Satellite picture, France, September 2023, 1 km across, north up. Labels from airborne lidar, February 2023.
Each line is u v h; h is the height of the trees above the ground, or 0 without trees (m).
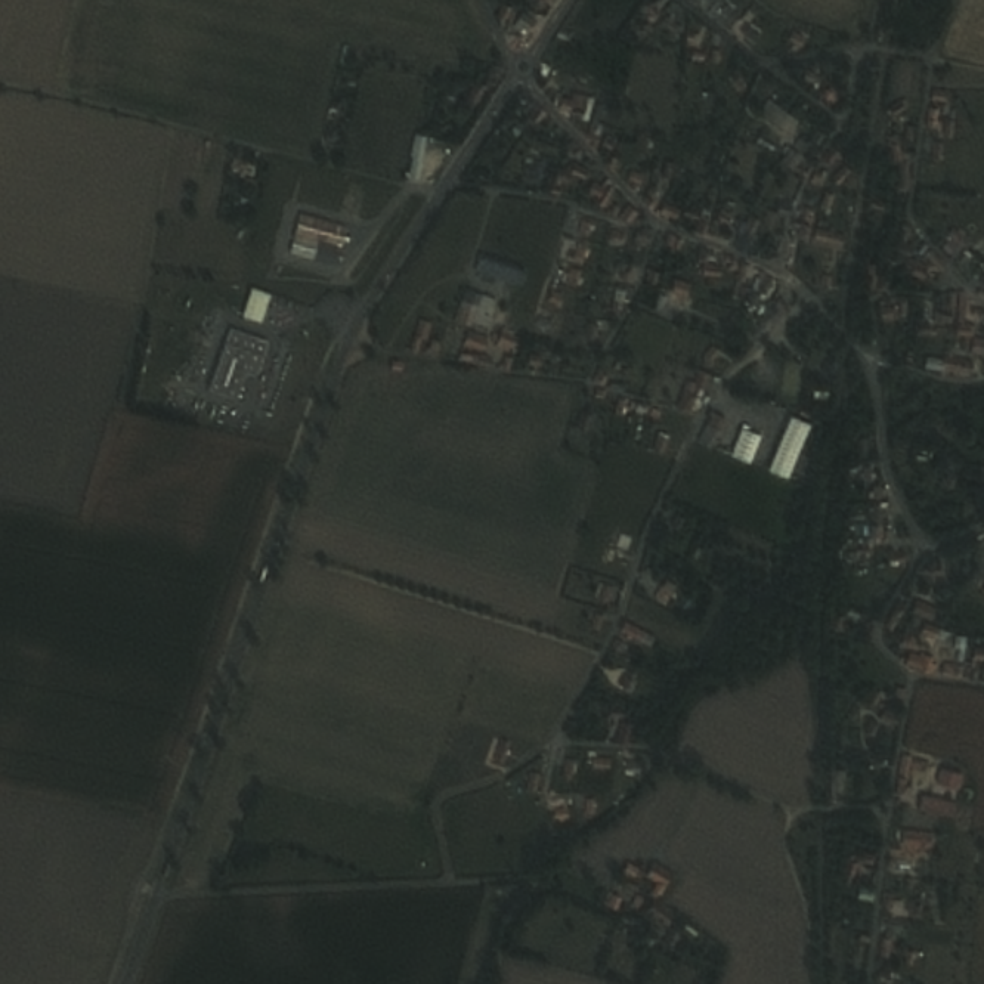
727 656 20
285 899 0
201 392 0
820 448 17
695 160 0
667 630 0
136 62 0
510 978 0
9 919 0
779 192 0
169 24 0
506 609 0
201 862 0
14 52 0
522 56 0
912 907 0
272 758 0
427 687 0
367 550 0
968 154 0
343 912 0
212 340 0
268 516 0
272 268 0
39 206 0
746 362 0
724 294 6
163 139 0
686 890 0
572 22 0
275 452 0
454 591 0
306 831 0
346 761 0
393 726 0
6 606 0
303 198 0
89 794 0
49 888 0
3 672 0
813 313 12
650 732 10
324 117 0
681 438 0
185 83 0
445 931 0
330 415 0
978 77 0
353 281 0
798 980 0
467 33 0
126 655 0
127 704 0
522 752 0
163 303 0
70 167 0
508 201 0
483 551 0
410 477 0
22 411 0
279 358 0
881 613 8
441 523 0
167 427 0
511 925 21
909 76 0
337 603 0
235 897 0
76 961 0
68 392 0
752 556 9
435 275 0
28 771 0
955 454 16
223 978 0
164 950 0
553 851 20
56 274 0
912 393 13
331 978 0
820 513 8
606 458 0
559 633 8
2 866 0
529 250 0
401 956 0
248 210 9
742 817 0
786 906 0
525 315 0
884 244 12
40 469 0
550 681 0
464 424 0
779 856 0
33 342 0
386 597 0
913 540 0
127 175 0
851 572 0
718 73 0
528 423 0
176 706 0
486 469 0
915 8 10
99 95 0
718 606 0
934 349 0
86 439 0
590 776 0
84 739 0
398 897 0
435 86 6
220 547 0
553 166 7
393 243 0
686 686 13
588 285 0
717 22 0
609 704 6
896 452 0
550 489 0
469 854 0
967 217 0
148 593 0
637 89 0
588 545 0
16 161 0
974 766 0
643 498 0
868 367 0
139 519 0
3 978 0
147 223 0
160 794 0
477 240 0
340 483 0
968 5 0
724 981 0
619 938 0
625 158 0
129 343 0
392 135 0
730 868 0
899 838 0
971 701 0
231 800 0
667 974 0
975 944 0
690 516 8
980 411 0
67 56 0
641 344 0
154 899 0
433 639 0
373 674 0
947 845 0
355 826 0
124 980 0
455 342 0
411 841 0
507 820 0
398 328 0
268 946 0
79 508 0
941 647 0
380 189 0
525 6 6
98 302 0
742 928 0
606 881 0
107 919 0
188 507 0
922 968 0
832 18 0
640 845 0
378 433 0
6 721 0
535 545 0
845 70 11
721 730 0
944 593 13
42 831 0
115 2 0
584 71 0
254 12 0
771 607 20
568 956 0
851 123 7
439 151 0
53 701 0
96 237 0
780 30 0
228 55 0
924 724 0
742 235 0
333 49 0
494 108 0
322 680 0
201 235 0
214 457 0
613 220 0
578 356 7
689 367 6
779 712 0
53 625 0
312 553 0
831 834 9
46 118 0
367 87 0
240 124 0
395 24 0
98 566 0
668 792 0
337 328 0
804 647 15
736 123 0
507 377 0
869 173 6
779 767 0
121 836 0
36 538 0
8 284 0
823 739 15
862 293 16
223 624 0
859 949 0
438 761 0
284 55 0
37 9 0
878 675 0
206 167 0
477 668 0
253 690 0
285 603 0
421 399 0
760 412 0
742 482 0
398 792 0
